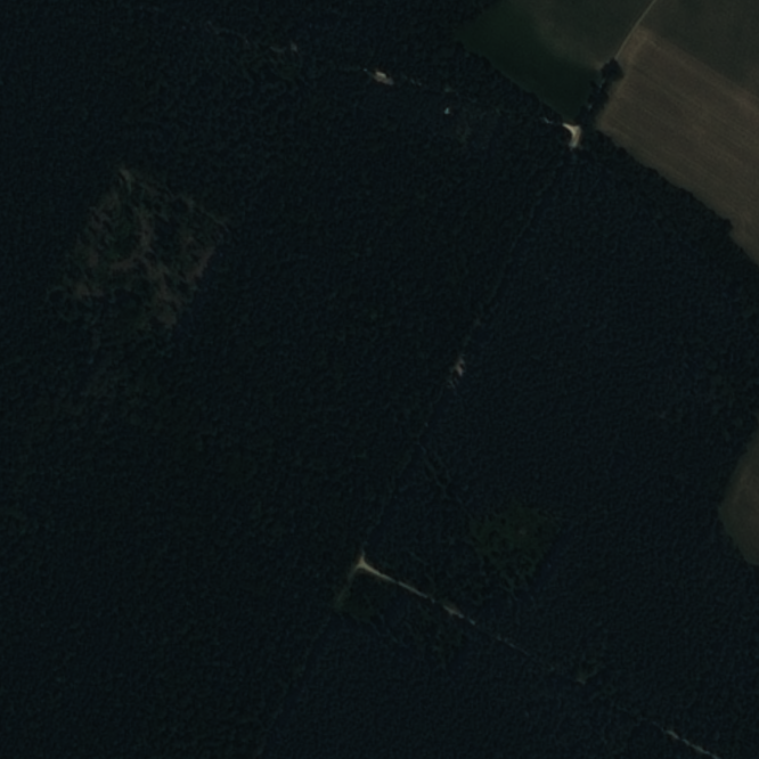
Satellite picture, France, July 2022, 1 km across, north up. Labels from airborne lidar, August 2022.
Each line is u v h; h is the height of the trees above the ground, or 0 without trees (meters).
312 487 21
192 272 0
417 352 19
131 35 24
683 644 31
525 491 29
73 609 25
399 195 22
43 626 23
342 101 24
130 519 21
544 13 0
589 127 25
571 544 28
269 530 18
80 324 16
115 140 25
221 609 21
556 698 33
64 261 22
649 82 0
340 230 24
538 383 32
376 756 28
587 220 34
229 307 26
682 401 34
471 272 17
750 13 0
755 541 0
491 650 25
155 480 17
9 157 24
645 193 19
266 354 25
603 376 32
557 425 34
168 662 20
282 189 23
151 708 19
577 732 32
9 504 23
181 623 20
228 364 23
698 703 28
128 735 19
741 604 31
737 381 25
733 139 0
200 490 20
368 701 28
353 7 26
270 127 25
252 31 24
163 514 18
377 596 9
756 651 25
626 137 0
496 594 16
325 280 18
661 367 35
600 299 33
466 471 29
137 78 20
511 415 31
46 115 26
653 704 28
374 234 19
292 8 25
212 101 27
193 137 25
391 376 19
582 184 32
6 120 26
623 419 30
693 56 0
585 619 28
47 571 23
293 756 31
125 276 8
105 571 23
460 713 30
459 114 19
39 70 25
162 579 18
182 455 19
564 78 0
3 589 20
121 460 18
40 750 21
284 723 32
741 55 0
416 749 31
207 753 18
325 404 20
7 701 19
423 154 22
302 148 22
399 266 18
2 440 19
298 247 24
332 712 35
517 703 27
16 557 18
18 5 23
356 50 25
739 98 0
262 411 24
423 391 18
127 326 23
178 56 25
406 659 34
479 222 19
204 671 22
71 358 14
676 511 33
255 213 13
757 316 28
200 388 25
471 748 33
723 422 23
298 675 12
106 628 22
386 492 18
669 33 0
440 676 32
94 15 27
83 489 21
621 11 0
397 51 26
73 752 19
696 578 35
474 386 36
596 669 10
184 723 17
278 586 22
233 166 20
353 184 24
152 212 5
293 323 21
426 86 15
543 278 31
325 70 25
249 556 19
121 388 19
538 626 31
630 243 37
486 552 0
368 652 31
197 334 23
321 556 18
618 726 33
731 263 10
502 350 31
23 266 23
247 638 25
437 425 27
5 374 17
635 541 33
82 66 23
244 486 20
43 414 20
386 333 19
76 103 20
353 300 20
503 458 28
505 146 22
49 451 20
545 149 16
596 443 31
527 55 0
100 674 23
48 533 20
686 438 27
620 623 30
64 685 20
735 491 0
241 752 24
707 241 10
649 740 24
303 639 22
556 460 34
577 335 29
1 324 26
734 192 0
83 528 22
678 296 32
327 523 20
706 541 33
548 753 29
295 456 20
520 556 9
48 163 18
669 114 0
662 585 32
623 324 33
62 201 24
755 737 25
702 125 0
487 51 0
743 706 25
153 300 19
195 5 24
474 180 16
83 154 25
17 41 16
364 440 18
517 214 20
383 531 24
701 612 27
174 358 20
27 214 16
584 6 0
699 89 0
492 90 26
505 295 28
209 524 23
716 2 0
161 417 20
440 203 17
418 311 22
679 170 0
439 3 25
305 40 33
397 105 19
